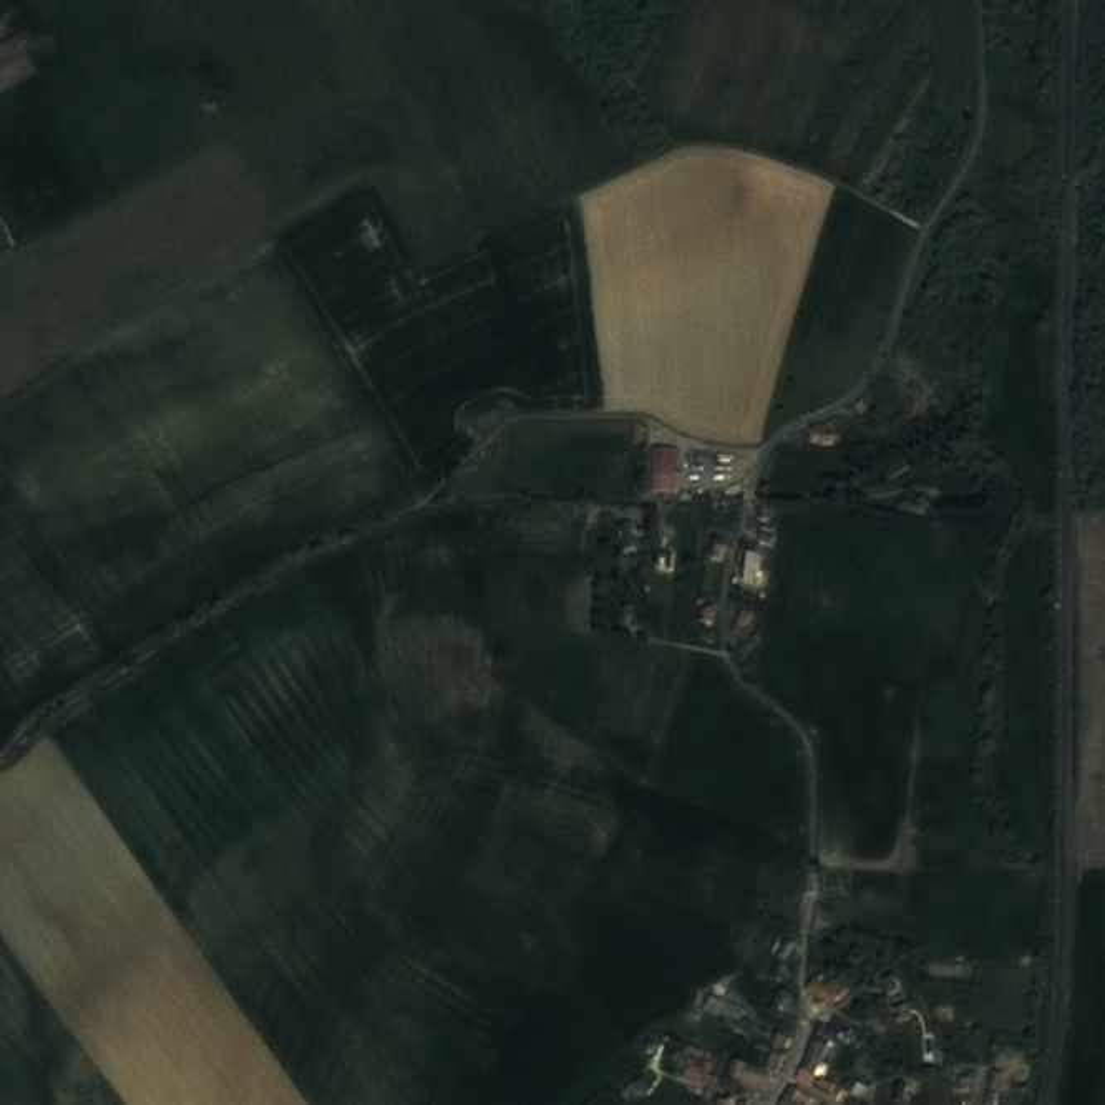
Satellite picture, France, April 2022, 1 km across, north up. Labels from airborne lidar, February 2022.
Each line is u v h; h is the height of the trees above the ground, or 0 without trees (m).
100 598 0
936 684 0
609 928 0
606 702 0
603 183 0
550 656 0
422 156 0
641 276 0
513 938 0
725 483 0
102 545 0
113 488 0
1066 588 0
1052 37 15
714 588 0
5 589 0
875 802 0
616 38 19
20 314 0
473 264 0
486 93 0
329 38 0
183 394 0
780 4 0
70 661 0
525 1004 0
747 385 0
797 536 0
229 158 0
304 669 0
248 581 0
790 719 0
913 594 0
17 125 0
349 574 0
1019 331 0
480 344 0
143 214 0
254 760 0
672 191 0
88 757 0
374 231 0
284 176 0
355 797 0
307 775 0
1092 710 0
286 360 0
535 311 0
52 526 0
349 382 0
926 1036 0
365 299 0
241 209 0
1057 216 17
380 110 0
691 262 0
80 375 0
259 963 0
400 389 0
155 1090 0
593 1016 0
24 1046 0
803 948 0
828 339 0
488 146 0
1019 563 0
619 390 0
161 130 0
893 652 0
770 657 0
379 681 0
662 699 0
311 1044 0
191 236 0
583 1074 0
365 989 0
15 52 0
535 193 0
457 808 0
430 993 0
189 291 0
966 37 0
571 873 0
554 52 0
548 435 0
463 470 11
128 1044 0
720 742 0
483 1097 0
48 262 0
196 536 0
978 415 7
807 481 0
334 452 0
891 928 0
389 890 0
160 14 0
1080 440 12
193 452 0
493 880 0
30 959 0
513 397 0
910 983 0
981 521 23
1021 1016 0
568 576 0
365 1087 0
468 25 0
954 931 0
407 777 0
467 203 0
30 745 0
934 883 0
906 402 0
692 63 0
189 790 0
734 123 0
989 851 0
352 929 0
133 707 0
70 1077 0
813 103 0
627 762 0
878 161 0
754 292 0
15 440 0
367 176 0
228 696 0
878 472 10
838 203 0
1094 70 6
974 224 19
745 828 0
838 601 0
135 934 0
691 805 0
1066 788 0
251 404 0
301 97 0
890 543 0
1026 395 0
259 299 0
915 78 0
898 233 0
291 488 0
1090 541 14
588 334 0
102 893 0
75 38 0
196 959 0
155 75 0
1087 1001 0
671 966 0
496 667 0
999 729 12
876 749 0
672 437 0
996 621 14
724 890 0
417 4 0
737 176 0
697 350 0
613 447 0
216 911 0
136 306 0
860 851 0
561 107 0
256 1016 0
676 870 0
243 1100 0
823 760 0
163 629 0
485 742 0
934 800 0
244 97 0
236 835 0
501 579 0
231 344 0
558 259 0
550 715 0
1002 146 0
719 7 0
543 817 0
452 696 0
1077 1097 0
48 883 0
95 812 0
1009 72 6
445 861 0
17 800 0
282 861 0
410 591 0
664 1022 0
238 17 0
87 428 0
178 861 0
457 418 0
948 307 10
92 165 0
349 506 0
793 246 0
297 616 0
